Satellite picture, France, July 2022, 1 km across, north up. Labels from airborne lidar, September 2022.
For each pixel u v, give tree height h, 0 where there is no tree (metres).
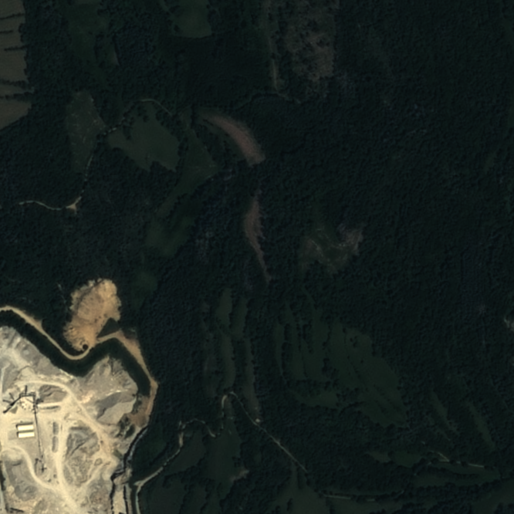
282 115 16
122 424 0
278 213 21
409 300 15
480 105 16
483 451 11
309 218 7
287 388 12
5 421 0
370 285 15
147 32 22
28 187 6
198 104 8
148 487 6
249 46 21
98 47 8
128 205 6
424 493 20
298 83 16
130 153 0
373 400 0
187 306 13
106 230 10
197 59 8
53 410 0
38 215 6
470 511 10
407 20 14
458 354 11
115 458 0
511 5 20
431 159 11
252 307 17
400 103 11
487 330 18
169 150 0
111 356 0
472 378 13
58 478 0
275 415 5
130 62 22
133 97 11
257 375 15
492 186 16
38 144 7
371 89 10
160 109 8
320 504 0
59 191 9
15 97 13
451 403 11
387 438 6
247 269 20
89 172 6
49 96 17
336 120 19
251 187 16
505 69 15
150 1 8
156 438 7
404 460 0
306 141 19
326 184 17
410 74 8
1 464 0
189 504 9
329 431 19
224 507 20
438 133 13
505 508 24
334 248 0
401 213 14
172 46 8
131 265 11
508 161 26
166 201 14
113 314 0
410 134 18
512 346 11
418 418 7
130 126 6
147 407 0
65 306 7
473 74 10
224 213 26
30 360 0
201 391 7
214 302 17
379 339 14
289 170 23
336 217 11
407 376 9
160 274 7
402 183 7
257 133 13
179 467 0
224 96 11
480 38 9
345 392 15
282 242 24
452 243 15
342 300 13
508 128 16
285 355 13
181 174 11
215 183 18
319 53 0
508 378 13
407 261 12
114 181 11
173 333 13
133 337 0
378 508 0
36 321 0
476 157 16
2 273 8
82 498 0
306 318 15
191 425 10
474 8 8
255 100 13
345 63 12
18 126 12
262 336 8
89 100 0
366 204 13
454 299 12
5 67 0
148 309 11
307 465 13
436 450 7
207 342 11
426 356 11
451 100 10
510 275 10
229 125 0
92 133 0
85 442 0
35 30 10
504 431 16
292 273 21
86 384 0
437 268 20
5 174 12
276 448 10
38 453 0
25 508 0
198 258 18
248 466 14
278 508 8
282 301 16
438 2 13
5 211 13
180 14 25
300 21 0
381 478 11
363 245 14
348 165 14
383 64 9
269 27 0
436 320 13
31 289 8
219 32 25
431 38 12
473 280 22
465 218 10
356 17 13
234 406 11
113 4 18
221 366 6
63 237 7
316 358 0
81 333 0
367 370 0
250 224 0
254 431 10
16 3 0
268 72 8
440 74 13
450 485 15
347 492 12
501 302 10
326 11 0
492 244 14
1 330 0
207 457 7
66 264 8
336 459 13
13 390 0
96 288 0
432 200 11
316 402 0
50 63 8
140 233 10
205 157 0
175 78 14
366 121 11
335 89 17
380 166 12
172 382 8
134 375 0
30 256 9
